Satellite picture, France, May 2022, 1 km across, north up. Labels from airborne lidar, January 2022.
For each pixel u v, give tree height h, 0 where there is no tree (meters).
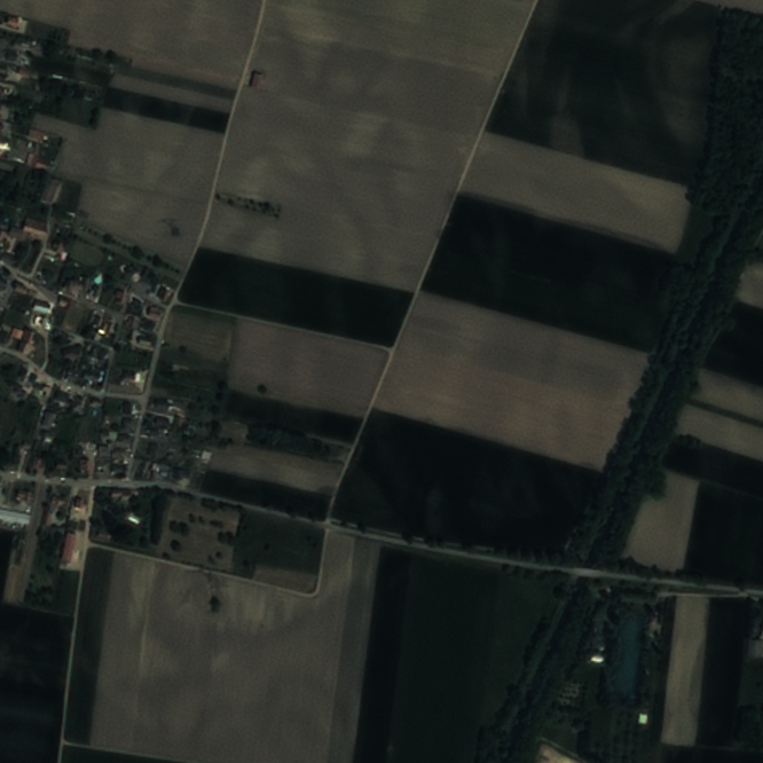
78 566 0
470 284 0
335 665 0
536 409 0
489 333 0
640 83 0
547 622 9
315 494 0
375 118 0
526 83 0
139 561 0
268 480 0
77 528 0
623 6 0
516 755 18
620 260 0
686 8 0
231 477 0
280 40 0
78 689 0
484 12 0
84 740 0
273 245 0
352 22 0
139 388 0
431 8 0
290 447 15
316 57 0
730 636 0
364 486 0
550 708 13
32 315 0
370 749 0
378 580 0
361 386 0
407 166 0
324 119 0
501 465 0
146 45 0
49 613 0
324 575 0
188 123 0
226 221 0
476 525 0
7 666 0
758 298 0
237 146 0
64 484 0
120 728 0
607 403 0
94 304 0
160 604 0
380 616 0
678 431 0
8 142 0
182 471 0
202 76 0
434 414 0
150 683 0
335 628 0
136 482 0
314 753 0
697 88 0
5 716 0
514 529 0
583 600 14
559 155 0
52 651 0
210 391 0
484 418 0
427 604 0
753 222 15
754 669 0
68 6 0
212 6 0
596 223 0
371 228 0
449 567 0
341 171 0
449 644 0
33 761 0
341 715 0
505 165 0
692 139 0
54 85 9
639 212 0
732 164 20
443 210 0
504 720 17
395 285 0
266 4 0
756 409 0
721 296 21
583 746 18
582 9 0
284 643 0
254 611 0
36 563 0
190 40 0
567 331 0
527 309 0
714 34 0
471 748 0
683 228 0
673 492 0
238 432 0
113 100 0
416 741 0
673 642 0
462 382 0
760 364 0
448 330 0
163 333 0
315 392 0
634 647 0
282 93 0
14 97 8
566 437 0
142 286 0
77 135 0
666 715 0
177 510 0
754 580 0
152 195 0
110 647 0
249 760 0
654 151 0
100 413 0
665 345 11
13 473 0
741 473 0
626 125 0
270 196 0
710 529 0
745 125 21
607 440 0
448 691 0
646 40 0
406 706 0
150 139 0
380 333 0
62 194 0
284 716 0
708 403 0
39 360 0
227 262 0
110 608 0
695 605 0
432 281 0
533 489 0
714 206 22
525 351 0
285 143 0
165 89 0
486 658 0
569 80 0
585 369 0
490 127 0
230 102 0
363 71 0
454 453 0
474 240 0
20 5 0
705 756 0
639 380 0
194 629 0
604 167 0
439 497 0
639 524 0
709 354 0
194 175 0
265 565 0
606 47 0
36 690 0
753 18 17
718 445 0
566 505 0
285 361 0
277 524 0
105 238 7
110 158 0
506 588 0
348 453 0
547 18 0
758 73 19
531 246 0
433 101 0
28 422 0
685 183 0
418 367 0
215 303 0
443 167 0
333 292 0
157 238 0
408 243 0
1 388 0
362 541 0
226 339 0
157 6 0
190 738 0
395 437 0
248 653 0
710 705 0
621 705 18
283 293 0
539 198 0
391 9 0
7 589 0
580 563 13
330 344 0
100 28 0
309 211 0
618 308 0
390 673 0
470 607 0
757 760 0
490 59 0
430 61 0
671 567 0
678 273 25
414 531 0
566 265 0
